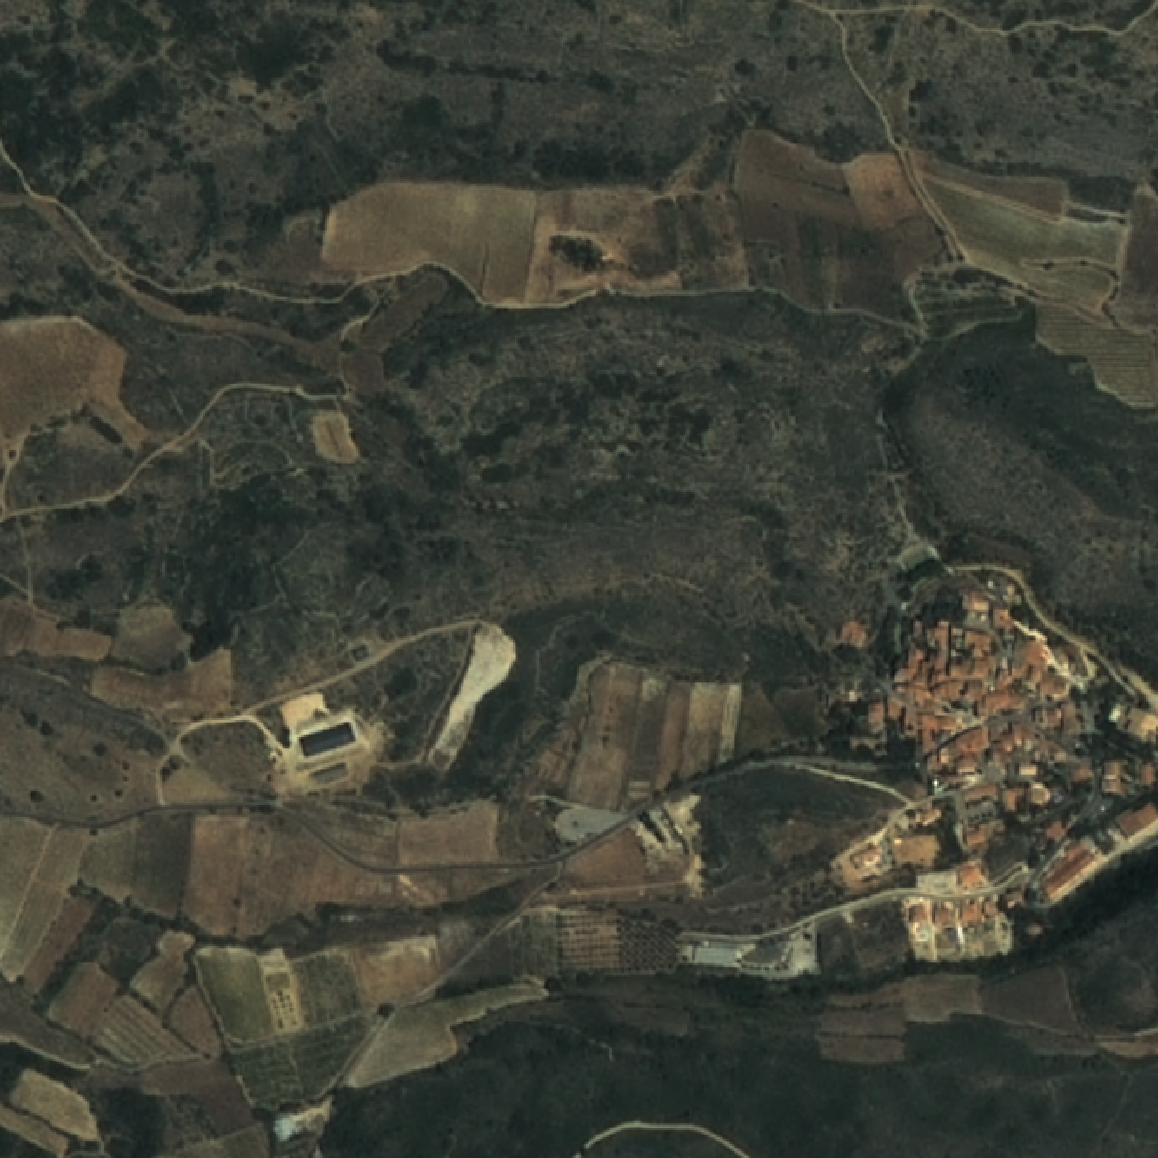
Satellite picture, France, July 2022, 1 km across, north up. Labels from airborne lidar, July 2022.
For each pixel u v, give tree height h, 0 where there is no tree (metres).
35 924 0
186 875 0
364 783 0
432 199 0
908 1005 0
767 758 8
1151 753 9
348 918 0
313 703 0
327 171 0
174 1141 0
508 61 0
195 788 0
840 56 0
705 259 0
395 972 0
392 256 0
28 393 0
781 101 0
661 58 0
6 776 0
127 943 0
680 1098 0
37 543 0
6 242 0
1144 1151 0
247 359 0
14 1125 0
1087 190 0
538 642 0
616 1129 0
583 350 0
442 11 0
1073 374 0
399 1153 0
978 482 0
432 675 0
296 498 0
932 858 0
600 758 0
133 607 0
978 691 0
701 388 0
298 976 0
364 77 0
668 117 0
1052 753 0
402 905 0
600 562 0
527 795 0
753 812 0
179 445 0
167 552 0
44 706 0
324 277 0
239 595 0
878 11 0
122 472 0
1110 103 0
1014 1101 0
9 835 0
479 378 0
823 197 0
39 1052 0
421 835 0
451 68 0
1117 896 11
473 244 0
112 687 0
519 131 0
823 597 0
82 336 0
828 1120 0
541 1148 0
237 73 0
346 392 5
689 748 0
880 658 6
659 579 0
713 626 0
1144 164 0
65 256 0
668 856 0
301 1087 0
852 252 0
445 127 0
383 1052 0
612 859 0
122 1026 0
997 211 0
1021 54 0
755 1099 0
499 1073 0
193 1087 0
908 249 0
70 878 0
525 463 0
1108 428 0
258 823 0
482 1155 0
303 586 0
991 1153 0
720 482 0
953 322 0
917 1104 0
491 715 0
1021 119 0
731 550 0
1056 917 9
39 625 0
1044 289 0
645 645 0
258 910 0
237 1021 0
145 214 0
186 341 0
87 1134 0
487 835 0
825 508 0
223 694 0
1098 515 0
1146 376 0
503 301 0
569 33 0
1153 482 0
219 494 0
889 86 0
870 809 0
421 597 0
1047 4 0
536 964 0
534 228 0
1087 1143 0
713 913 0
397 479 0
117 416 0
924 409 0
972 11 0
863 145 0
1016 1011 0
